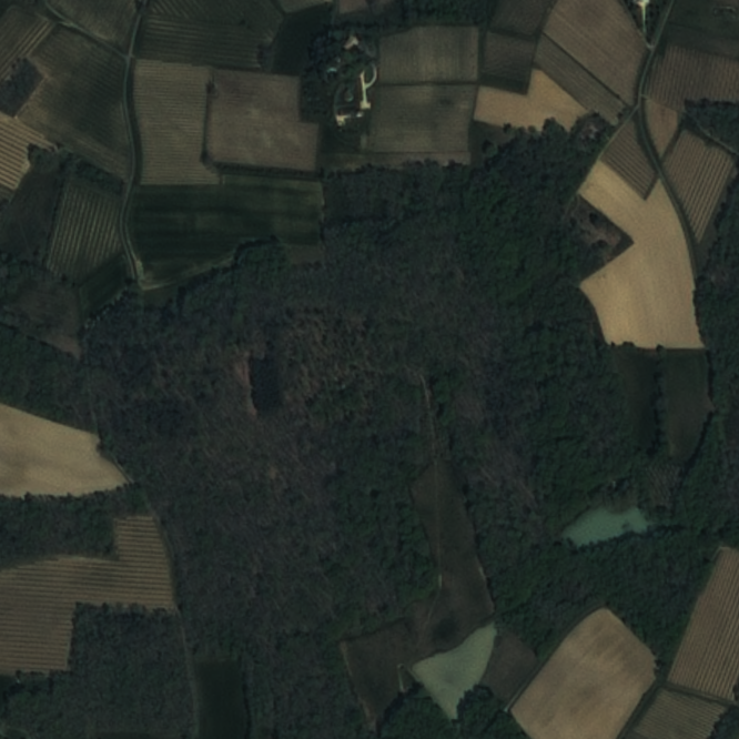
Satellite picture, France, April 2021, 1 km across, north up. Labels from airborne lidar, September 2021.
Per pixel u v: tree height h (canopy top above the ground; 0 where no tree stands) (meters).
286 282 17
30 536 15
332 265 15
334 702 16
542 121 0
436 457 8
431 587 19
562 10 0
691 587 20
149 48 0
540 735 0
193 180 0
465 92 0
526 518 19
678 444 0
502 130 0
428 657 0
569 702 0
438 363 18
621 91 0
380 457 24
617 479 19
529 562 16
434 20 12
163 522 14
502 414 23
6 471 0
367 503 22
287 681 18
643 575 25
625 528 7
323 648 25
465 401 20
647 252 0
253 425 17
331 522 17
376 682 0
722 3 0
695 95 0
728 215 21
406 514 20
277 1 0
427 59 0
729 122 20
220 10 0
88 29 0
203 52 0
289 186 0
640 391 0
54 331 14
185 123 0
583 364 19
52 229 7
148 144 0
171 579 0
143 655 20
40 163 19
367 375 6
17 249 6
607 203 0
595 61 0
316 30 0
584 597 10
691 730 0
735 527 20
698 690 0
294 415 18
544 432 27
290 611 18
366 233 22
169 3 0
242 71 0
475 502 14
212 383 21
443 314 16
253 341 14
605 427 15
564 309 11
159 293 0
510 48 0
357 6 0
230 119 0
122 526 0
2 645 0
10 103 11
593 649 0
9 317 17
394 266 19
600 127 11
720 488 23
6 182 0
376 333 18
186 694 17
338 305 19
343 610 23
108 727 20
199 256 0
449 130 0
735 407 16
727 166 0
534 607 16
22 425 0
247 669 19
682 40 0
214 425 21
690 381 0
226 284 14
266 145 0
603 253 19
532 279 18
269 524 22
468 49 0
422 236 19
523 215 16
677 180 0
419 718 25
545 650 23
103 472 0
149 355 17
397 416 20
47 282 20
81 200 0
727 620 0
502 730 26
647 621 24
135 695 21
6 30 0
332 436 15
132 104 0
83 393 21
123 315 15
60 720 15
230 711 0
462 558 0
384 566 20
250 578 19
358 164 0
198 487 15
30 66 15
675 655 13
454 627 0
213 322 20
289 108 0
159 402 15
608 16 0
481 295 23
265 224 0
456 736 19
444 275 18
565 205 19
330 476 16
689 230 0
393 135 0
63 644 0
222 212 0
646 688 0
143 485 16
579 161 17
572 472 24
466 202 21
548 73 0
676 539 26
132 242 0
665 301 0
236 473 17
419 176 20
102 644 17
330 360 13
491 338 22
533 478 19
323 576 15
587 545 0
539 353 26
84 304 0
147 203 0
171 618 11
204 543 22
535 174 11
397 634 0
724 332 20
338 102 0
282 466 19
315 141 0
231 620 19
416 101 0
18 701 21
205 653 16
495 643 0
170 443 14
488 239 26
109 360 18
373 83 0
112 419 15
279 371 19
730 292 16
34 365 22
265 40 0
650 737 0
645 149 0
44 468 0
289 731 21
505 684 0
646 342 0
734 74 0
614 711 0
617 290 0
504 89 0
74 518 18
